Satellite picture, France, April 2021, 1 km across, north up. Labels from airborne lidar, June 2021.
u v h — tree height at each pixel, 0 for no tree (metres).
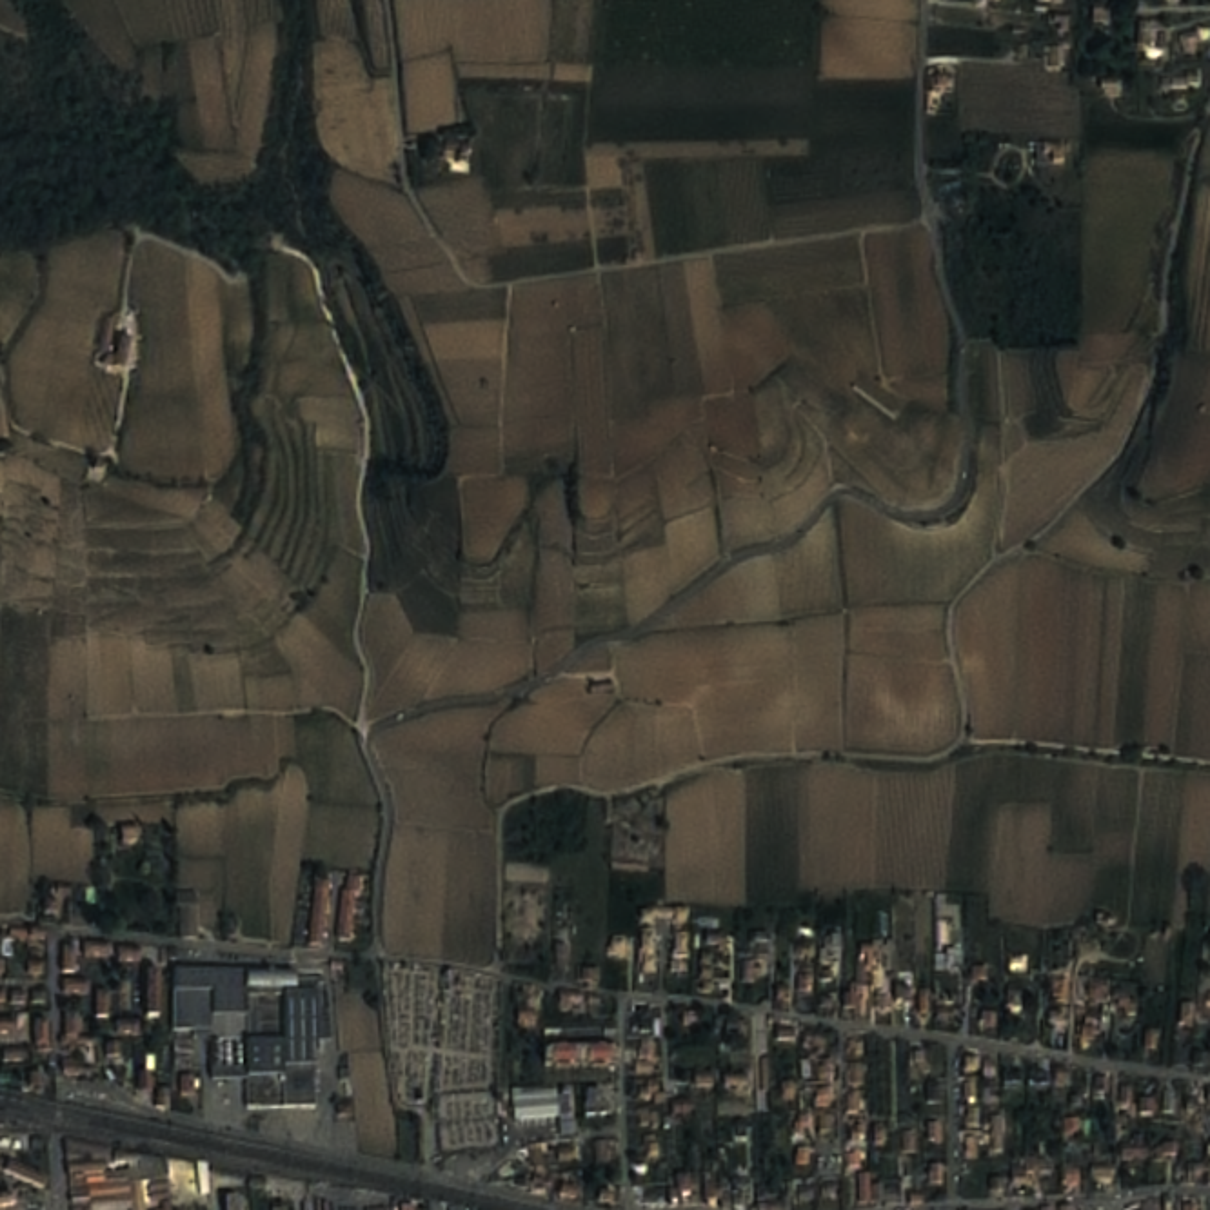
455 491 0
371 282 15
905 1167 7
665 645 0
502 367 0
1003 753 0
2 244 18
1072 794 0
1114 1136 9
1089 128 0
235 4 0
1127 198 0
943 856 0
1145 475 0
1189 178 10
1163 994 6
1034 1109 7
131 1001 0
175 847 15
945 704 0
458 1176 0
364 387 8
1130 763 14
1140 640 0
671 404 0
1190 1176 0
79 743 0
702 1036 11
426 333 0
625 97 0
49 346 0
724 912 0
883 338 0
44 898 10
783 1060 6
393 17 0
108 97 7
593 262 0
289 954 0
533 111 0
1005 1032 15
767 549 0
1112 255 0
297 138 12
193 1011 0
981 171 11
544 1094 0
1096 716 0
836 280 0
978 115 0
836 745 0
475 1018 0
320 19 0
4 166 22
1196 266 0
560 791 8
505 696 0
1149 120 0
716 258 0
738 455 0
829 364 0
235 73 0
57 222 21
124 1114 0
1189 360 0
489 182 0
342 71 0
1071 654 0
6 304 0
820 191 0
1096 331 0
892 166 0
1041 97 0
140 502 0
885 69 0
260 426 14
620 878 0
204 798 8
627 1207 0
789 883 0
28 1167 16
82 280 0
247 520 7
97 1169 0
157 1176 0
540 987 0
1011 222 8
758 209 0
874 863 0
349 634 0
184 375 0
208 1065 0
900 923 0
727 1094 7
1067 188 0
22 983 0
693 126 0
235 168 0
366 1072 0
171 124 12
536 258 0
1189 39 0
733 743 0
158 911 16
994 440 0
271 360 0
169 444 0
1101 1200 0
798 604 0
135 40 0
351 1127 0
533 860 9
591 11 0
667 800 8
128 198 27
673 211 0
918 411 0
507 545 6
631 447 0
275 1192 0
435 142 12
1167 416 0
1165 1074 0
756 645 0
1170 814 0
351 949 0
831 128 0
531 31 0
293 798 0
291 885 0
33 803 8
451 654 0
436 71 0
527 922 0
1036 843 0
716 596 0
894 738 0
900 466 0
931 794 0
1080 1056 0
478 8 0
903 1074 0
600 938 0
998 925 7
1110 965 0
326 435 0
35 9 7
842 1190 9
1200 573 11
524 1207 0
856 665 0
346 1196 0
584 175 0
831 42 0
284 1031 0
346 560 0
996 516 0
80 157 29
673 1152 0
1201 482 0
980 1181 0
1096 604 0
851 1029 0
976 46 0
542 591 0
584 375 0
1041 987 6
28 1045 7
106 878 10
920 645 0
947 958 0
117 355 0
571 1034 0
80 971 0
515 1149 0
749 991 10
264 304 13
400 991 0
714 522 0
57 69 12
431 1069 0
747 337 0
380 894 0
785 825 0
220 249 22
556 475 14
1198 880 17
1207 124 14
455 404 0
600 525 0
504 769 0
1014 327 10
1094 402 0
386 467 7
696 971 5
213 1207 0
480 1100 0
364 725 0
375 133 0
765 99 0
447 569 0
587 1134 0
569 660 0
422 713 0
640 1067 0
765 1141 6
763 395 0
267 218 24
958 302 10
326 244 18
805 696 0
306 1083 0
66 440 0
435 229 0
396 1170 0
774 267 0
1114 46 13
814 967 7
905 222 0
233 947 0
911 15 0
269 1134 0
